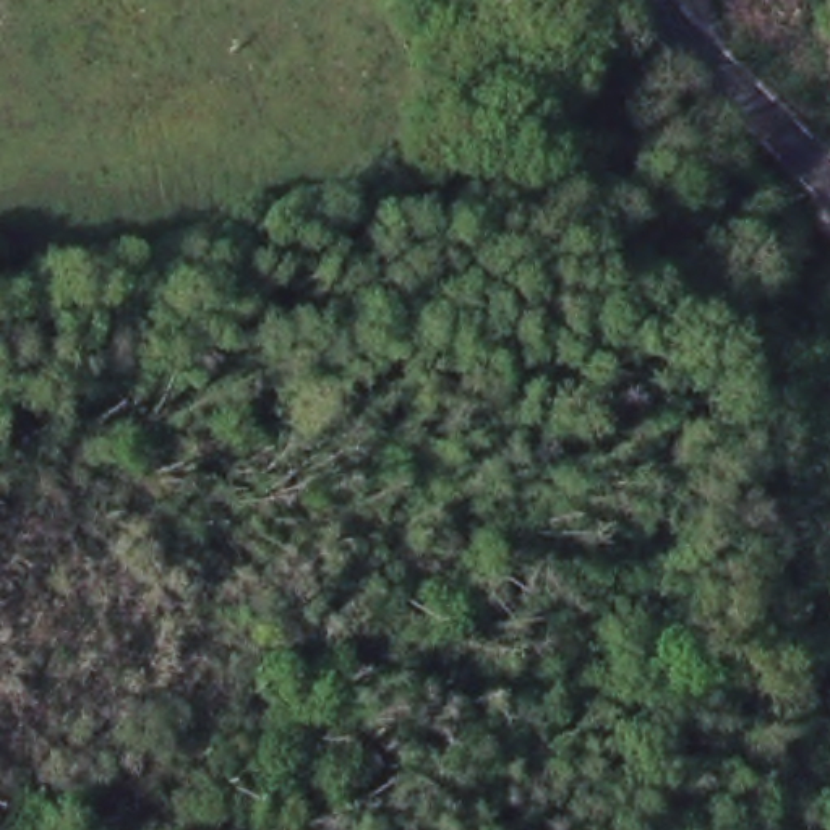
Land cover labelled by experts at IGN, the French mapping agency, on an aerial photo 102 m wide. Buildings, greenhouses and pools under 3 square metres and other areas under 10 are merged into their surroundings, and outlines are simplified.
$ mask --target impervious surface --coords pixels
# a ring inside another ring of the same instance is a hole
[[[830,120],[817,123],[798,107],[794,94],[768,88],[755,75],[749,75],[733,58],[729,39],[720,29],[700,32],[697,26],[691,26],[678,0],[642,0],[645,16],[655,29],[652,49],[674,49],[697,58],[710,75],[710,88],[704,88],[704,97],[733,104],[742,113],[755,156],[772,169],[775,185],[788,188],[791,182],[801,182],[814,201],[817,220],[830,224]]]

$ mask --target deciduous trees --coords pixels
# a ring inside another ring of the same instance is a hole
[[[88,577],[97,571],[94,558],[81,554],[78,548],[52,567],[49,584],[58,593],[71,593],[71,571],[84,571]]]
[[[0,694],[23,691],[26,665],[13,652],[10,629],[0,629]]]
[[[794,94],[798,107],[817,123],[830,120],[830,0],[678,0],[691,26],[697,26],[700,32],[720,29],[729,39],[733,58],[749,75],[755,75],[768,88]]]
[[[81,678],[94,668],[97,658],[107,658],[117,648],[107,623],[107,603],[94,603],[94,626],[81,632],[81,655],[68,661],[65,655],[55,655],[49,671],[52,678]]]
[[[68,733],[75,742],[88,739],[94,729],[91,717],[52,717],[49,729]]]
[[[36,259],[23,276],[0,276],[0,493],[13,490],[23,499],[23,512],[42,519],[45,528],[68,528],[71,506],[81,506],[88,516],[88,532],[101,535],[123,564],[123,571],[146,584],[146,593],[136,603],[133,619],[143,623],[152,606],[165,606],[169,613],[169,619],[162,619],[156,629],[152,652],[159,687],[139,691],[136,704],[146,704],[146,710],[126,713],[113,729],[113,739],[130,749],[123,755],[123,768],[113,768],[107,752],[101,752],[101,762],[94,765],[81,755],[62,759],[62,752],[55,749],[49,762],[39,768],[39,778],[52,781],[62,798],[49,801],[36,791],[23,794],[16,801],[13,820],[3,830],[830,830],[830,224],[817,220],[814,201],[801,182],[791,182],[788,188],[775,185],[772,169],[755,156],[742,113],[733,104],[704,97],[704,88],[710,88],[710,75],[697,58],[674,49],[652,49],[655,29],[645,16],[642,0],[373,0],[376,13],[392,26],[396,39],[402,42],[409,62],[409,84],[402,101],[405,130],[399,136],[402,162],[386,162],[363,175],[334,175],[324,188],[314,175],[295,175],[266,185],[256,204],[246,204],[240,217],[224,214],[217,204],[188,208],[188,214],[195,217],[195,230],[185,237],[185,243],[169,237],[152,243],[126,237],[101,253],[52,250],[42,259]]]

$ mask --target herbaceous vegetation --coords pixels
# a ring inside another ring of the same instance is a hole
[[[334,175],[363,175],[386,162],[402,162],[399,136],[405,130],[402,101],[409,84],[409,62],[402,42],[396,39],[392,26],[376,13],[373,0],[0,0],[0,276],[23,276],[36,259],[42,259],[52,250],[101,253],[126,237],[152,243],[169,237],[185,243],[185,237],[195,230],[195,217],[188,214],[188,208],[217,204],[224,214],[240,217],[246,204],[256,204],[266,185],[295,175],[314,175],[324,188]]]

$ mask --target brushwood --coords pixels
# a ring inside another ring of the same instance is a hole
[[[78,548],[81,554],[94,558],[97,571],[88,577],[84,571],[71,571],[71,593],[58,593],[49,584],[52,567]],[[13,490],[0,493],[0,629],[10,629],[13,652],[26,665],[23,691],[0,694],[0,830],[3,830],[13,820],[16,801],[23,794],[36,791],[49,801],[62,798],[52,781],[39,778],[39,768],[49,762],[55,749],[62,752],[62,759],[81,755],[94,765],[101,762],[101,752],[107,752],[113,768],[123,768],[123,755],[130,749],[113,739],[113,729],[126,713],[146,710],[146,704],[136,704],[139,691],[159,687],[152,652],[156,629],[162,619],[169,619],[169,613],[165,606],[152,606],[143,623],[133,619],[136,603],[146,593],[146,584],[123,571],[123,564],[101,535],[88,532],[88,516],[81,506],[71,506],[68,528],[45,528],[42,519],[23,512],[23,499]],[[117,648],[107,658],[97,658],[94,668],[81,678],[52,678],[49,671],[55,655],[65,655],[68,661],[81,655],[81,632],[94,626],[94,603],[107,603],[107,623]],[[52,717],[91,717],[94,729],[88,739],[75,742],[68,733],[49,729]]]

